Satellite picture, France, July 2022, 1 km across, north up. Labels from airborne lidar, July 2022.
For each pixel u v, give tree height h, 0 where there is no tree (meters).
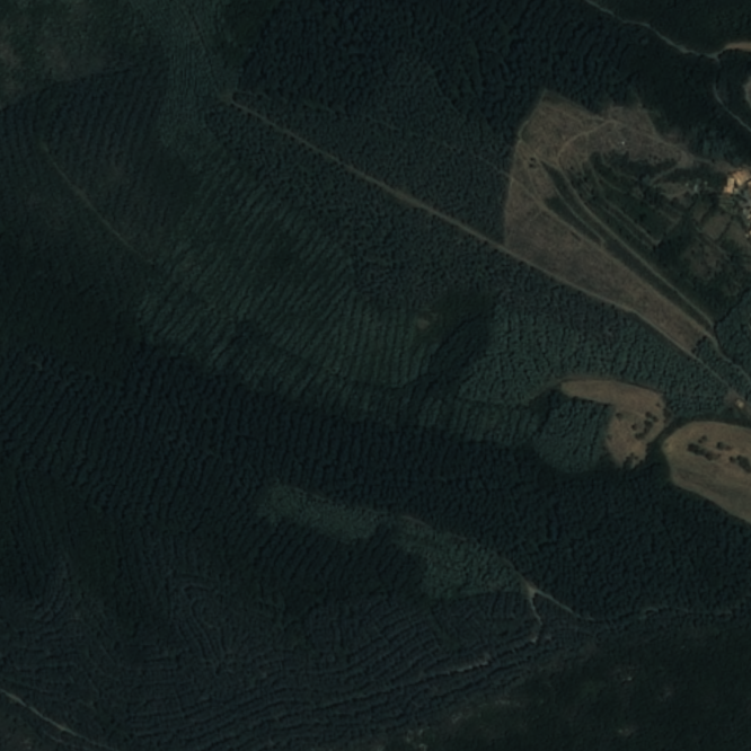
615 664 7
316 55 30
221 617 16
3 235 19
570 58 32
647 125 0
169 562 14
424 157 21
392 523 16
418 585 17
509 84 30
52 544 8
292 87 27
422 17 28
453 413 17
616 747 13
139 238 9
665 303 0
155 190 10
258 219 18
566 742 13
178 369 21
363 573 27
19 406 15
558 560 26
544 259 0
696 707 12
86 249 13
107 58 7
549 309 17
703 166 6
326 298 14
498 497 24
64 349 16
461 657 14
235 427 28
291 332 15
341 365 7
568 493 25
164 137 15
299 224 18
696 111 19
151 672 17
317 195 20
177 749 20
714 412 8
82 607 17
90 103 13
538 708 10
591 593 23
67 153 10
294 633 19
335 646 21
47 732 18
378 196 17
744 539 10
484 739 10
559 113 0
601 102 20
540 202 0
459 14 32
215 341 12
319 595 15
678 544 20
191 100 13
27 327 20
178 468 26
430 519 23
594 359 15
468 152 18
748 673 13
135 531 20
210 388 24
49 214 7
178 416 26
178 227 11
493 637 18
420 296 13
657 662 14
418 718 17
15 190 8
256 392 19
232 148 17
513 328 14
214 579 15
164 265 12
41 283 16
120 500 24
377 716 20
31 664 18
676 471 0
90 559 19
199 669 17
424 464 22
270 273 13
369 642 18
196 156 14
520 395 13
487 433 15
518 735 9
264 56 29
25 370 17
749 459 0
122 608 18
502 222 14
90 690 20
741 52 16
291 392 22
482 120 25
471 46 30
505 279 19
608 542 18
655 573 21
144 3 10
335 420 26
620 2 11
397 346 10
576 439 15
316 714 19
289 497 12
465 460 24
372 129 21
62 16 8
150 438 26
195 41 10
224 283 11
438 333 10
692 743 10
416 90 22
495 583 16
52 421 25
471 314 16
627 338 15
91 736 19
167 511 22
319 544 23
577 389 0
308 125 17
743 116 11
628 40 24
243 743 18
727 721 12
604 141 0
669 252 18
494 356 14
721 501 0
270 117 15
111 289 16
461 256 14
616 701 11
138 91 10
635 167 9
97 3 5
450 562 13
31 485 14
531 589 0
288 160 17
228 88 17
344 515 13
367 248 19
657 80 14
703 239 8
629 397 0
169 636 16
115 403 27
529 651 18
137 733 18
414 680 18
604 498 26
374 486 20
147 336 21
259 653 19
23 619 22
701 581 20
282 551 19
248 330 21
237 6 18
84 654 15
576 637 17
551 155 0
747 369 16
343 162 16
